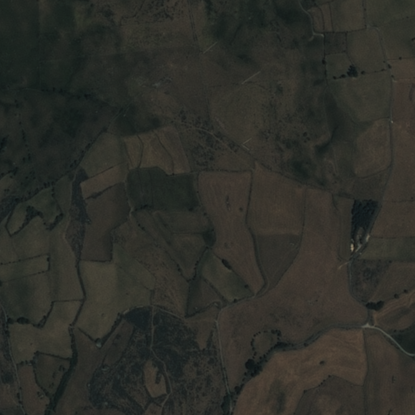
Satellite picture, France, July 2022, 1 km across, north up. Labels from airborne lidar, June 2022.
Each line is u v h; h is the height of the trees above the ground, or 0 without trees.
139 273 0
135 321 0
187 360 0
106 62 0
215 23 0
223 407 15
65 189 0
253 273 0
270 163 0
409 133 0
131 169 0
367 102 0
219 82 0
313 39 0
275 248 0
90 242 0
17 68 0
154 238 0
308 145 0
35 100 0
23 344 0
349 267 0
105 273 0
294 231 0
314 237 0
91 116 0
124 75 0
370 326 0
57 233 0
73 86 0
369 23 0
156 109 0
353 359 0
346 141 0
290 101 0
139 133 0
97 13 0
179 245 0
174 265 0
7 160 0
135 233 0
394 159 0
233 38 0
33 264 0
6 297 0
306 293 0
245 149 0
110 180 0
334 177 0
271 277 0
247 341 0
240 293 0
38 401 0
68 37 0
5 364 0
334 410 0
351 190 0
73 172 0
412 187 0
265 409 0
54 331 0
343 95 0
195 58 0
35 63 0
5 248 0
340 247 0
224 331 0
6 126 0
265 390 0
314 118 0
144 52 0
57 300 0
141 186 0
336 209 0
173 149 0
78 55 0
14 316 0
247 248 0
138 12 0
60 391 5
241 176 0
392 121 0
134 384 0
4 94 0
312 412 0
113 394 0
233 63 0
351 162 0
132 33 0
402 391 0
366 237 0
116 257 0
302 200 0
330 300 0
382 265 0
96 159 0
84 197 0
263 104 0
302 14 0
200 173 0
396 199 0
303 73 0
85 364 0
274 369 0
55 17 0
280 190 0
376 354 0
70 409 0
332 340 0
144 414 0
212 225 0
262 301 0
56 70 0
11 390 0
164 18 0
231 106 0
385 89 0
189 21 0
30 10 0
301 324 0
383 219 0
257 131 0
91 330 0
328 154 0
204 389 0
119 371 0
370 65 0
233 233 0
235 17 0
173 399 0
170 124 0
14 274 0
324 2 0
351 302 0
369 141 0
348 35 0
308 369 0
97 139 0
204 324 0
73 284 0
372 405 0
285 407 0
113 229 0
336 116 0
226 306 0
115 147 0
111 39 0
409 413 0
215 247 0
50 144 0
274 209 0
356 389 0
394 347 0
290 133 0
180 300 0
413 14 0
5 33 0
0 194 0
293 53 0
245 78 0
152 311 0
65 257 0
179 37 0
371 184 0
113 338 0
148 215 0
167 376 0
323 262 0
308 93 0
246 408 0
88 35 0
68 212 0
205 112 0
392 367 0
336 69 0
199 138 0
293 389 0
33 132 0
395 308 0
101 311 0
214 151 0
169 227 0
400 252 0
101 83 0
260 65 0
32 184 0
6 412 0
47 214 0
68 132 0
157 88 0
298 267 0
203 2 0
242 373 0
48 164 0
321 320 0
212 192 0
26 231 0
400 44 0
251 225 0
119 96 0
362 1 0
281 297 0
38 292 0
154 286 0
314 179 0
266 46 0
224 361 0
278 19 0
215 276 0
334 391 0
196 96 0
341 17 0
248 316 0
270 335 0
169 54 0
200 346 0
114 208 0
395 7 0
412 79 0
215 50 0
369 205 13
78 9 0
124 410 0
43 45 0
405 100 0
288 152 0
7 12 0
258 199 0
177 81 0
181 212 0
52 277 0
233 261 0
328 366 0
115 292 0
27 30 0
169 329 0
